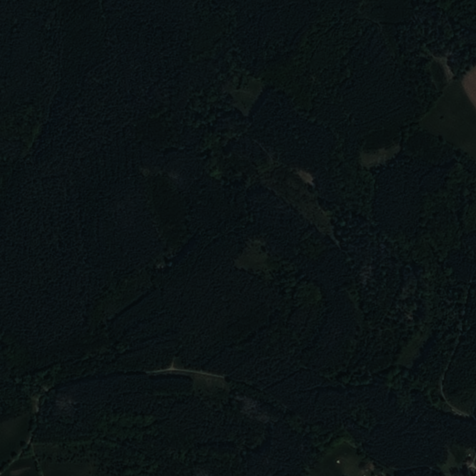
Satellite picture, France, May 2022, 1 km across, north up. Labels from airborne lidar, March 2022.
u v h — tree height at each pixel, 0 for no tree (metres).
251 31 22
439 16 33
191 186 19
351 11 9
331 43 9
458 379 8
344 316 26
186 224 16
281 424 27
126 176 24
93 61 17
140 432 17
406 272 37
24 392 14
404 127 17
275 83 9
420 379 12
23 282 24
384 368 7
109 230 15
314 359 25
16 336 17
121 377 24
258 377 25
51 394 9
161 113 17
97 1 16
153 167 22
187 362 10
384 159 0
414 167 20
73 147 23
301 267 24
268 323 13
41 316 26
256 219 27
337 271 24
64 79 20
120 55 21
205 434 12
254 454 25
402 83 18
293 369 23
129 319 14
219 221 19
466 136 0
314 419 28
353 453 0
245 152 27
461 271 20
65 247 24
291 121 25
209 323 14
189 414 15
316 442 27
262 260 0
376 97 18
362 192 17
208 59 25
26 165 20
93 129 20
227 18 16
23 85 28
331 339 24
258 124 20
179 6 28
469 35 31
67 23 16
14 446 0
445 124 0
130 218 25
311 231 28
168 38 24
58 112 23
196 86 31
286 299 12
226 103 23
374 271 33
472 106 0
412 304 29
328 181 22
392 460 31
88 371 13
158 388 21
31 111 22
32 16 22
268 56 10
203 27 12
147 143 20
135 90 20
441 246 21
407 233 19
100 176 20
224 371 20
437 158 16
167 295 15
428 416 35
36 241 21
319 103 15
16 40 23
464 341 16
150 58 19
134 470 16
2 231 22
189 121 27
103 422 20
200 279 19
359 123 16
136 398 14
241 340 9
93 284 20
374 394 34
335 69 12
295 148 24
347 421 29
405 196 21
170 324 15
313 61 8
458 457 0
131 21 24
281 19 17
